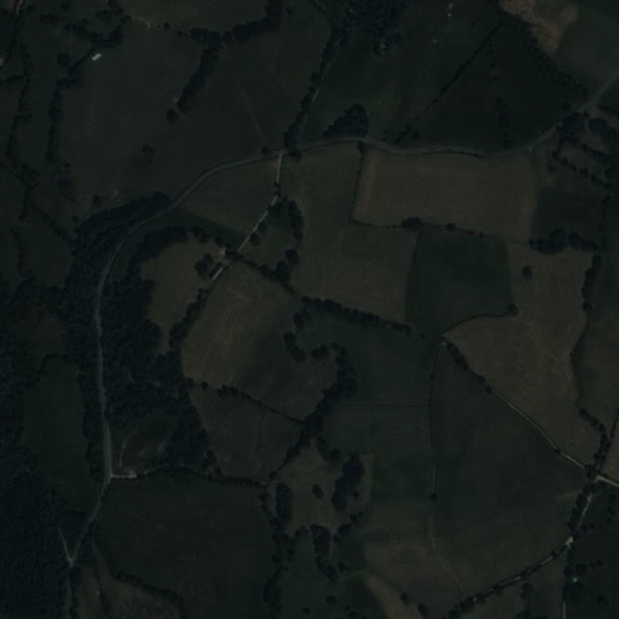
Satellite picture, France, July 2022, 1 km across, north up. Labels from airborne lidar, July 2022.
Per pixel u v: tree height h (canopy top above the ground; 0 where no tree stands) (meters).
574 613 0
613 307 0
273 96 0
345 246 0
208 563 0
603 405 0
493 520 0
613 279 0
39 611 16
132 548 0
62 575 18
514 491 0
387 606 0
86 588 0
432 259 0
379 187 0
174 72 0
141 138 0
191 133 0
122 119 0
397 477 0
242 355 0
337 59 0
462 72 9
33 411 0
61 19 5
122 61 0
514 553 0
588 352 0
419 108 0
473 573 0
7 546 10
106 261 16
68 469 0
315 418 18
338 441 0
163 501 0
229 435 0
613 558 0
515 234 0
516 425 0
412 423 0
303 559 0
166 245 13
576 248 12
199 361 0
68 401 0
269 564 0
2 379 17
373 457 0
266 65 0
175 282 0
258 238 11
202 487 0
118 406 8
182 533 0
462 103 0
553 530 0
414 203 0
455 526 0
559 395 0
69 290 16
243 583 0
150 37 0
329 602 15
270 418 0
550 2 0
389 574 0
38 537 15
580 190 0
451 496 0
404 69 0
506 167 0
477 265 0
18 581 12
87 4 0
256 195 0
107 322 19
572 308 0
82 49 0
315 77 14
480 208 0
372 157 0
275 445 0
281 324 0
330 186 0
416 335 0
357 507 0
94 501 0
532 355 0
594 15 0
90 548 16
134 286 16
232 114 0
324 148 0
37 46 0
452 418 0
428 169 0
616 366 0
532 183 0
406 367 0
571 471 0
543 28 0
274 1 19
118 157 0
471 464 0
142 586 10
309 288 0
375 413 0
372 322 16
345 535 17
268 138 0
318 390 0
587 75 0
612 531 0
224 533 0
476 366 0
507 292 0
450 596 0
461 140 0
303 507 0
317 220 0
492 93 0
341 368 15
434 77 0
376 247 0
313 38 0
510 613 0
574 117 19
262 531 0
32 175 10
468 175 0
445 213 0
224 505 0
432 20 0
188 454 18
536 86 0
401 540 0
